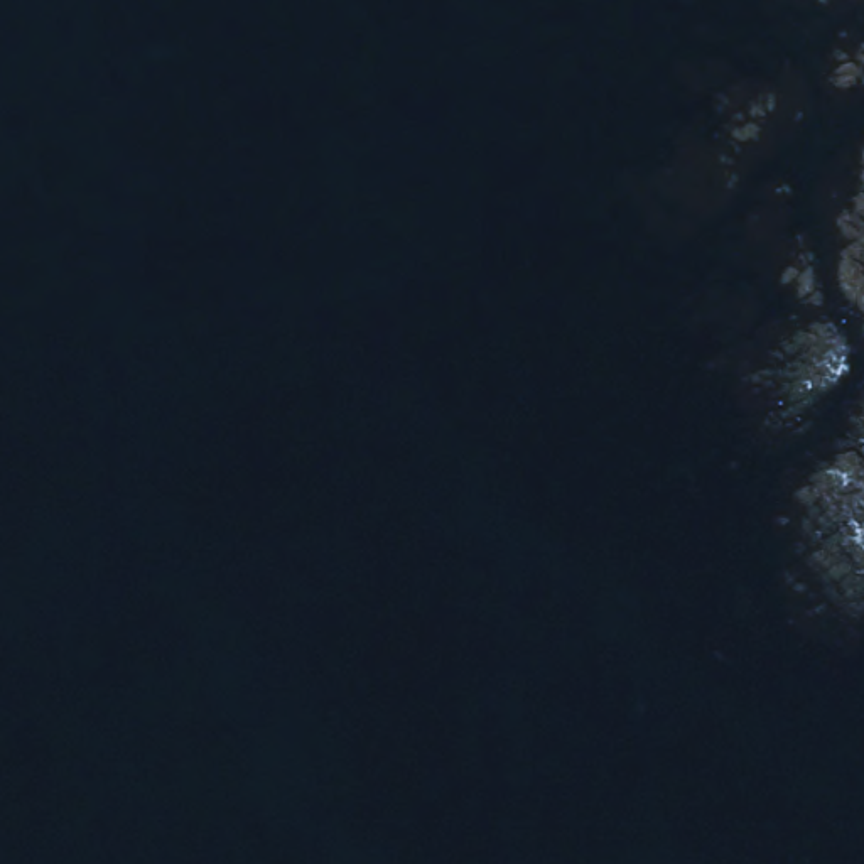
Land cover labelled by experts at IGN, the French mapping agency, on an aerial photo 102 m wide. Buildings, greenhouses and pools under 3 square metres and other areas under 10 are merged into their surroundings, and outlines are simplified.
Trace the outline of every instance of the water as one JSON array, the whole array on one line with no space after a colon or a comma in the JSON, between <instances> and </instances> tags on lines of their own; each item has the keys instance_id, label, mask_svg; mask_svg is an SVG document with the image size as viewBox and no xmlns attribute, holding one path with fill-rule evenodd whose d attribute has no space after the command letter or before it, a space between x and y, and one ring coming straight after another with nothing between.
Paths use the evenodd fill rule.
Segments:
<instances>
[{"instance_id":1,"label":"water","mask_svg":"<svg viewBox=\"0 0 864 864\"><path fill-rule=\"evenodd\" d=\"M864 864L864 0L0 0L0 864Z\"/></svg>"}]
</instances>

